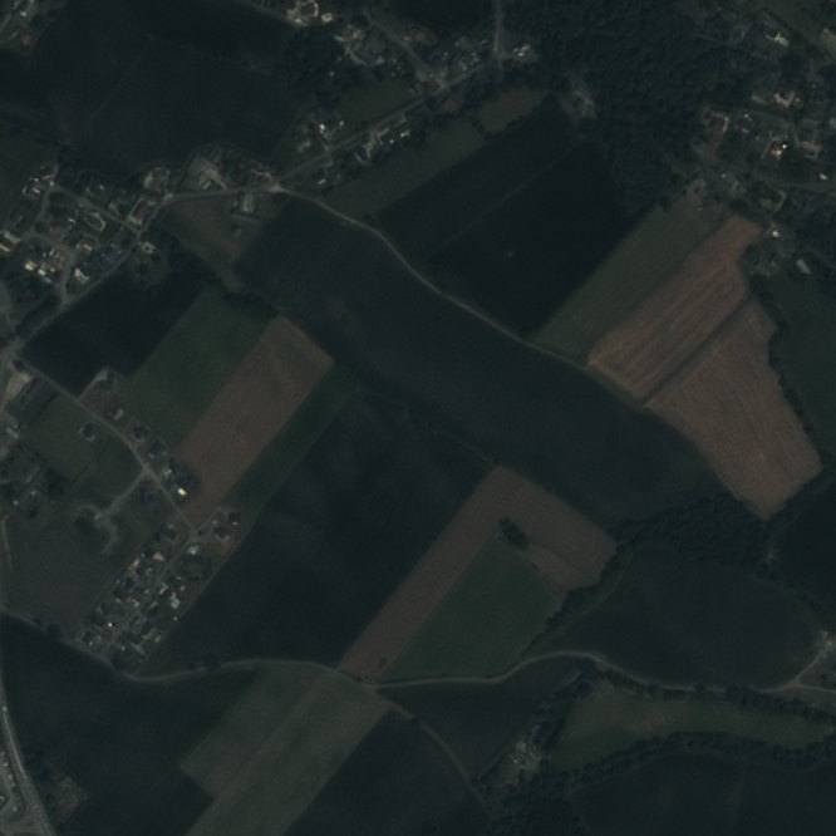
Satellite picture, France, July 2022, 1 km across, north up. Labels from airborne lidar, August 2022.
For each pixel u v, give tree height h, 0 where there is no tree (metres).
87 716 0
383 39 7
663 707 0
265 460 0
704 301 0
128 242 9
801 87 12
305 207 0
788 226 7
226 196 0
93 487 0
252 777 0
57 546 0
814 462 0
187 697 0
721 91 12
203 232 0
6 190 0
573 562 0
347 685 0
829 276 11
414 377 0
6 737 0
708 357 0
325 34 13
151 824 0
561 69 26
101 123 0
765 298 18
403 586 0
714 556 13
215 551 0
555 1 22
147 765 0
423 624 0
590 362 0
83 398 0
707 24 7
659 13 26
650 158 26
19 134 13
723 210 0
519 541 16
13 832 0
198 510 0
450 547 0
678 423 0
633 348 0
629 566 0
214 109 0
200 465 0
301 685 0
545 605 0
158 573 0
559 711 9
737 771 0
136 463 0
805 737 0
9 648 0
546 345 0
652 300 0
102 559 0
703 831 0
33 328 10
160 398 0
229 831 0
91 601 0
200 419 0
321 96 19
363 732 0
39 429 0
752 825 0
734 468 0
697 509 14
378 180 0
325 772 0
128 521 0
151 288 6
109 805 0
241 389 0
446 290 13
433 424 8
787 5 0
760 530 19
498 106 0
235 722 0
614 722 0
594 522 0
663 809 0
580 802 0
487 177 0
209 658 12
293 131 0
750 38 8
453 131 0
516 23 26
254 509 0
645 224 0
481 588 0
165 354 0
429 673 0
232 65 0
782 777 0
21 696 0
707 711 0
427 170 0
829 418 0
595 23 25
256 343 0
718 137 0
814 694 0
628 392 0
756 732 0
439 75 0
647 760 14
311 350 0
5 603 0
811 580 0
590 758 0
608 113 22
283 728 0
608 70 28
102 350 0
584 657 0
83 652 0
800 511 12
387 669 0
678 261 0
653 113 19
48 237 0
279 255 0
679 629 0
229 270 0
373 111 0
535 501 0
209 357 0
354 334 0
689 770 0
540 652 0
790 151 8
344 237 0
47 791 0
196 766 0
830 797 0
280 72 21
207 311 0
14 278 9
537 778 15
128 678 0
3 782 0
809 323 0
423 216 0
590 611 0
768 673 0
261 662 0
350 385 0
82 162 11
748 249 7
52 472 10
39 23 10
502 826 14
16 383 0
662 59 30
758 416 0
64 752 0
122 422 0
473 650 0
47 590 0
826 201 9
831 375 0
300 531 0
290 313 0
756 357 0
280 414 0
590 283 0
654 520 7
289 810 0
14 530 0
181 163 0
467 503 0
